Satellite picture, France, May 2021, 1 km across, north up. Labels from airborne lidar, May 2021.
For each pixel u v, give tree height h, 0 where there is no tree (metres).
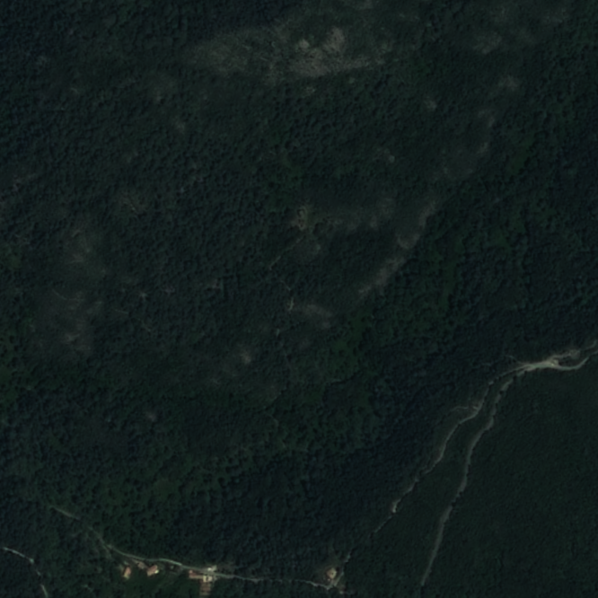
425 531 12
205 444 10
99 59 15
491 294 14
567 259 23
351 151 10
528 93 14
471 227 8
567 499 10
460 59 16
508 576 19
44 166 7
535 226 16
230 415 15
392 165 15
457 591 13
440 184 10
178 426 15
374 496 12
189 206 12
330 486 21
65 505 18
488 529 11
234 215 24
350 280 14
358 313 13
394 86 19
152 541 10
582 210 15
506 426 9
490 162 15
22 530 24
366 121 18
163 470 17
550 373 14
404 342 12
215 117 9
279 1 10
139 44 19
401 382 17
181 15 8
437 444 9
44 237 20
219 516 22
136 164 14
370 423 32
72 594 10
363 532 7
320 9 7
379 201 7
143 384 13
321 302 8
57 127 18
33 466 19
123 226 20
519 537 13
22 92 15
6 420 18
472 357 12
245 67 5
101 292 14
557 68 24
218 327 8
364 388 11
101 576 15
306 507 23
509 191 18
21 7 13
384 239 16
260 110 12
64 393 28
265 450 16
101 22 22
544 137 22
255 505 16
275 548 24
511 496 10
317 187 15
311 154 18
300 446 16
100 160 23
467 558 10
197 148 16
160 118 6
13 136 6
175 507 10
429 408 14
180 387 15
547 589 21
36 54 12
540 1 12
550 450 15
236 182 22
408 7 6
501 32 18
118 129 21
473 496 11
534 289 21
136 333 22
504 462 11
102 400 18
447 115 23
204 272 25
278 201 9
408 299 21
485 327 16
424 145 7
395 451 16
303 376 16
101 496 18
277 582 11
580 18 20
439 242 20
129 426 23
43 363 15
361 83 18
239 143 11
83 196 23
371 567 16
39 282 9
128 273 10
